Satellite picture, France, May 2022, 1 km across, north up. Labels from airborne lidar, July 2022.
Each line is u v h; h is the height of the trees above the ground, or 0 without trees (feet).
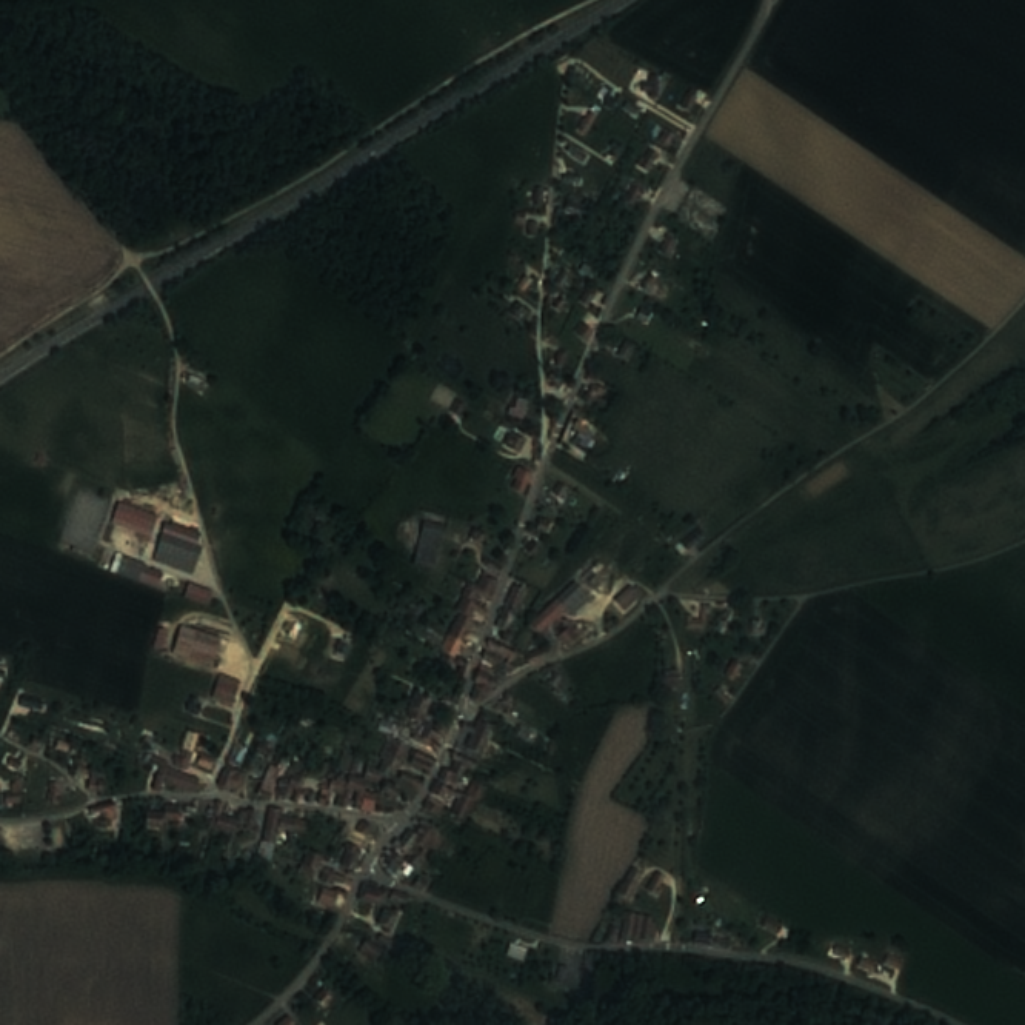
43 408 0
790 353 0
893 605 0
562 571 0
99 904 0
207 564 0
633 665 0
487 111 0
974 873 0
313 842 0
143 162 100
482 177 0
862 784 0
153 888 0
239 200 53
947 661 0
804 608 0
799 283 0
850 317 0
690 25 0
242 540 0
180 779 0
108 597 0
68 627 0
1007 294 0
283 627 0
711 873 0
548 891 0
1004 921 0
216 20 0
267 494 0
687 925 31
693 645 0
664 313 31
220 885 78
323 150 49
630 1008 92
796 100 0
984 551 0
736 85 0
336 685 0
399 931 0
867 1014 53
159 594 0
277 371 0
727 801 0
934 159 0
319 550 75
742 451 0
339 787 0
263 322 0
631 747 0
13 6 97
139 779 23
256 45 0
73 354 0
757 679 0
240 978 0
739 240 0
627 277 0
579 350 0
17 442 0
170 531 0
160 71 92
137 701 0
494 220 0
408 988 0
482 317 0
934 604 0
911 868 0
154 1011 0
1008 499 0
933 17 0
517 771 0
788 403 0
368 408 49
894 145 0
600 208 21
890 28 0
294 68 0
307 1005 30
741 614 45
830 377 0
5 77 71
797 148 0
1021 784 0
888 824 0
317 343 0
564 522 31
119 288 37
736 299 0
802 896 0
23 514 0
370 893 0
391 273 80
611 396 29
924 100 0
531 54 0
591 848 0
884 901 0
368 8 0
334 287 69
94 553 0
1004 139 0
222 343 0
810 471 39
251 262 0
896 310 0
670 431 0
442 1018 79
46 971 0
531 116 0
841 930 0
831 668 0
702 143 0
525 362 0
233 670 0
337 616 42
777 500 0
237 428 0
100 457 0
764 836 0
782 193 0
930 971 0
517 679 0
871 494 0
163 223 57
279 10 0
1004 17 0
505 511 52
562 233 23
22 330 0
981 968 0
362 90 0
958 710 0
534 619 29
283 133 82
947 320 0
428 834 0
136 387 0
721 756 0
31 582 0
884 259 0
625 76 0
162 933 0
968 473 0
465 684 22
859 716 0
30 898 0
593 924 0
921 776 0
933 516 0
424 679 47
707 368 0
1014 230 0
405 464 65
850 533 0
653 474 0
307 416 0
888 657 0
